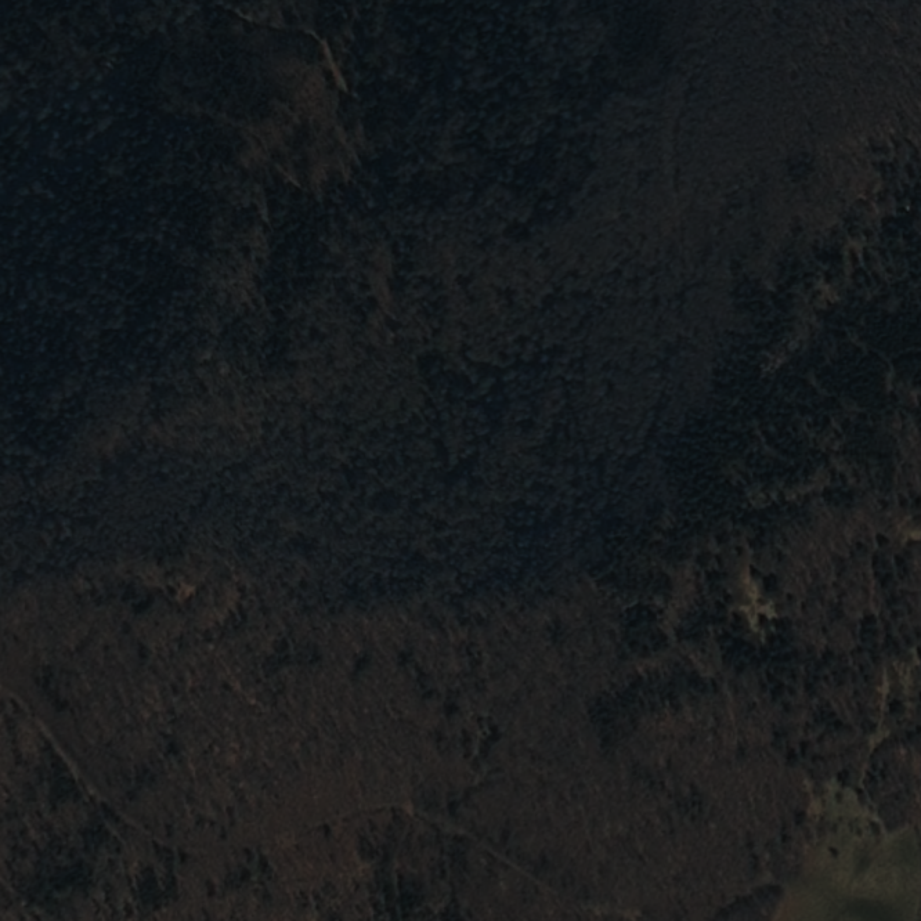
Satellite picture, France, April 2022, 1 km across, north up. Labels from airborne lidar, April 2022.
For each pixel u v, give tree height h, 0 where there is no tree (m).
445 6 24
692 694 16
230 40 15
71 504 26
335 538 29
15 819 20
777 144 13
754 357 22
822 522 15
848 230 12
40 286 28
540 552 23
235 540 21
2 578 21
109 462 12
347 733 23
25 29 14
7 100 37
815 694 20
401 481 30
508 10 26
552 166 24
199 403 25
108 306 29
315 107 16
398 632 23
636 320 27
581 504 23
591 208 27
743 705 16
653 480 18
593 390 26
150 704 20
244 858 18
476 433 33
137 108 36
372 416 31
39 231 25
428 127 34
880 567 16
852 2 21
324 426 40
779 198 19
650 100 24
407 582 16
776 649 17
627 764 17
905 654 10
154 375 24
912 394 14
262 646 18
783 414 14
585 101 19
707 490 21
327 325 33
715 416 11
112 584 18
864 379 12
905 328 14
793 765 11
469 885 14
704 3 17
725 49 16
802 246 13
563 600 17
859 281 12
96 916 19
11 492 26
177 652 20
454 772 15
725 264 20
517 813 17
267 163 16
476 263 32
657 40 17
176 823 19
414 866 16
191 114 10
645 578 16
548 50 25
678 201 21
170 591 8
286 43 15
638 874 24
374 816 13
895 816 10
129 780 20
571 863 17
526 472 25
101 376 24
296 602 20
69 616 19
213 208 22
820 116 14
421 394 31
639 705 12
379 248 32
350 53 12
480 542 25
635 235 23
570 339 27
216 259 24
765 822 18
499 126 30
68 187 24
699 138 17
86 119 18
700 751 17
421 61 16
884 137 17
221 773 16
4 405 22
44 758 17
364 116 10
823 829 13
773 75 17
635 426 24
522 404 28
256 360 22
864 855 0
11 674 14
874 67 17
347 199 7
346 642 25
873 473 15
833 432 12
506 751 17
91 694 10
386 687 26
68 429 23
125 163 26
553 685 19
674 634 14
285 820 14
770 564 12
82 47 15
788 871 19
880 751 9
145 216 20
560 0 21
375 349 40
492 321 35
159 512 20
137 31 30
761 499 6
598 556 16
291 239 18
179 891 18
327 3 13
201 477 25
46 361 22
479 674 14
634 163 24
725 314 18
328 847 17
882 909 0
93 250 16
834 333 10
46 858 24
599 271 30
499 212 33
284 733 26
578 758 18
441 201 18
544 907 19
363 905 23
